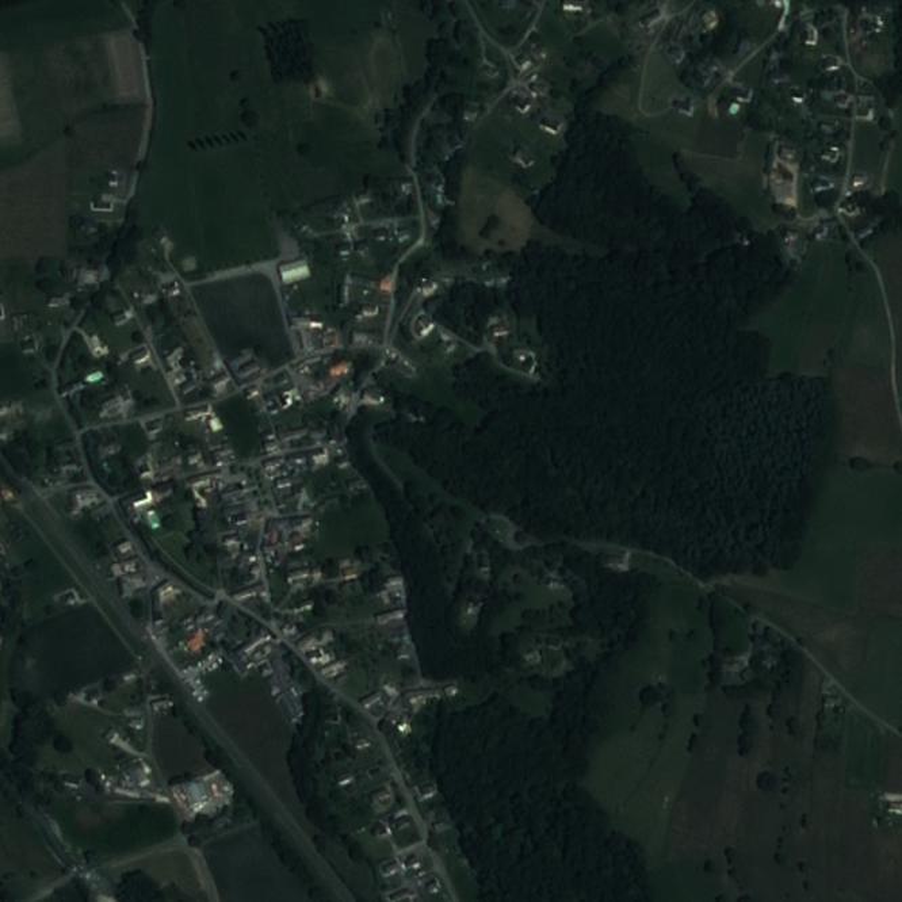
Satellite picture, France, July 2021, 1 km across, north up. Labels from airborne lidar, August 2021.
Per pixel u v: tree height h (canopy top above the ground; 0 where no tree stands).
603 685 24
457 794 23
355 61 0
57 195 0
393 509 16
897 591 0
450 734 25
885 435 0
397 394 12
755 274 20
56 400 0
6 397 0
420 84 11
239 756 0
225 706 0
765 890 0
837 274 0
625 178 25
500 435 32
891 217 10
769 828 0
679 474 27
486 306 26
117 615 0
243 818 7
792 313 0
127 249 23
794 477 33
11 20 0
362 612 0
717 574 19
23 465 14
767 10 0
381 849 0
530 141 0
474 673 12
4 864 0
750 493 23
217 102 0
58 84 0
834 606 0
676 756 0
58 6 0
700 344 23
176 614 0
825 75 6
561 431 26
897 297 0
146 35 11
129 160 0
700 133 0
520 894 30
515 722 28
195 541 15
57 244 0
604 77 14
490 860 26
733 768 0
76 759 0
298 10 0
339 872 6
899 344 0
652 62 0
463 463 26
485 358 17
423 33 0
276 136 0
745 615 9
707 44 16
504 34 8
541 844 26
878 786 0
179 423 0
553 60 0
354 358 9
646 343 18
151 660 0
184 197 0
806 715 0
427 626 19
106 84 0
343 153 0
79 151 0
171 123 0
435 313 10
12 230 0
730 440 22
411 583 14
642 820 0
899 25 13
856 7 17
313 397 0
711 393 24
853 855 0
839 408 0
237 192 0
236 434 0
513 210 0
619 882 19
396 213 6
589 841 29
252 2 0
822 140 8
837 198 14
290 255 0
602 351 22
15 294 0
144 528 6
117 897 0
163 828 0
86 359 13
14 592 16
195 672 0
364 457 20
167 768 0
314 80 9
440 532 12
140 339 13
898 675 0
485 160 0
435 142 17
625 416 27
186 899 0
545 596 0
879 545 0
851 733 0
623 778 0
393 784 6
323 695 7
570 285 20
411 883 0
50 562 0
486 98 8
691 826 0
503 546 17
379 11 0
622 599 25
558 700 11
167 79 0
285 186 0
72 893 0
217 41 0
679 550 20
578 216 24
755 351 23
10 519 0
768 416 28
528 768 21
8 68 0
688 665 0
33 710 29
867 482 0
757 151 0
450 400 0
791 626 0
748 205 0
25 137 0
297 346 0
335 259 0
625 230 19
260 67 0
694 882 0
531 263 24
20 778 19
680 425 26
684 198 0
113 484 9
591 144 19
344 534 0
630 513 28
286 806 0
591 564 20
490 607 21
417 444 21
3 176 0
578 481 30
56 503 0
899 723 0
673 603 0
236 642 6
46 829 0
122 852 0
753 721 18
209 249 0
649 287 21
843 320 0
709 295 25
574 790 21
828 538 0
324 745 6
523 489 30
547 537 15
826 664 0
